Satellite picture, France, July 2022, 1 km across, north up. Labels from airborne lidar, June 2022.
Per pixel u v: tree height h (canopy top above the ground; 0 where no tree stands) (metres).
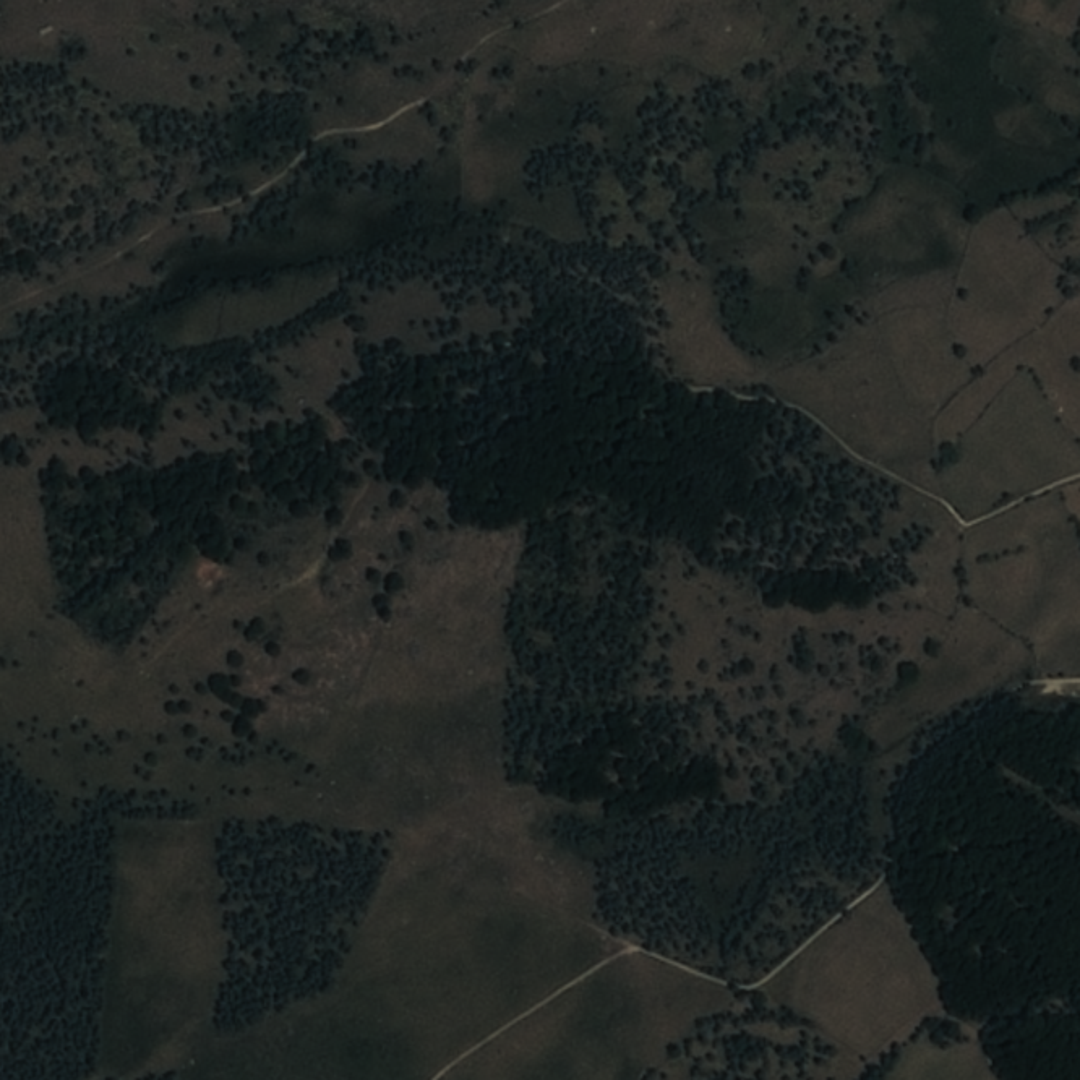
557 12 0
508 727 13
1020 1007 14
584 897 0
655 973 0
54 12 0
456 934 0
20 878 13
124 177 0
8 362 10
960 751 19
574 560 7
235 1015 16
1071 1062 14
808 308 0
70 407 18
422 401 17
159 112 11
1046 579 0
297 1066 0
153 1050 0
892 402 0
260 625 10
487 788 0
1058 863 18
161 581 11
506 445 21
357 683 0
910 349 0
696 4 0
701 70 0
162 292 8
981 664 0
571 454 23
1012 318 0
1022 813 17
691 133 14
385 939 0
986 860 18
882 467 0
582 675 15
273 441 16
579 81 0
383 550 0
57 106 0
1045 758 18
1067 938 21
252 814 0
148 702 0
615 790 15
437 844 0
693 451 16
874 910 0
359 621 0
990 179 0
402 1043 0
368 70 0
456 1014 0
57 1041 13
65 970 18
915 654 0
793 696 0
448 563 0
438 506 0
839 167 0
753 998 13
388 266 7
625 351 18
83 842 7
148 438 12
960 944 12
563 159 13
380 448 13
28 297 0
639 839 12
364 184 13
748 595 0
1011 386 0
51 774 0
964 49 0
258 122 9
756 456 9
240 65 0
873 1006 0
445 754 0
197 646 0
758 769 9
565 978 0
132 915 0
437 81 0
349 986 0
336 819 0
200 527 15
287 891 11
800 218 0
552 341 12
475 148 0
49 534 8
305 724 0
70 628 0
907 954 0
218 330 0
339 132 0
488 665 0
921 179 0
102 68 0
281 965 17
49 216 8
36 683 0
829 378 0
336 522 14
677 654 0
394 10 0
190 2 0
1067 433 0
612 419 23
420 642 0
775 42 0
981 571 0
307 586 0
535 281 11
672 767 8
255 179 0
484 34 0
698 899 13
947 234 0
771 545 16
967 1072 0
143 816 14
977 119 0
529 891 0
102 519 15
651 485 21
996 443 0
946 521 0
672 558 0
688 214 10
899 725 0
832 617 0
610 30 0
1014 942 16
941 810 18
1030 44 0
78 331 6
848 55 11
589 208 13
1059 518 0
